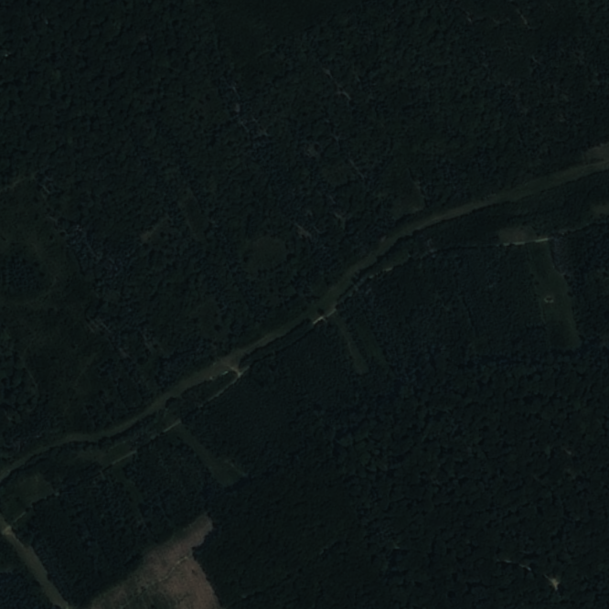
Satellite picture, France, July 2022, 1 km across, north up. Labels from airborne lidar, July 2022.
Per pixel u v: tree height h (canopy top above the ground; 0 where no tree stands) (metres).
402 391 28
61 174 16
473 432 30
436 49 18
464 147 18
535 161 17
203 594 0
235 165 18
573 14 11
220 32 14
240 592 18
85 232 25
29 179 25
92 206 24
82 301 8
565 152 15
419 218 8
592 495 28
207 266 18
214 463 0
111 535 7
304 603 20
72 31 27
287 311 7
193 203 6
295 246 17
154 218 11
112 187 23
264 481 19
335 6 10
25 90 31
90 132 21
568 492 28
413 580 29
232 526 22
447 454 31
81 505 19
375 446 28
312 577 25
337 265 28
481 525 30
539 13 17
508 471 31
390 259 22
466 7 13
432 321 16
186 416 9
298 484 21
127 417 14
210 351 20
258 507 17
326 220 16
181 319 19
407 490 31
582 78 20
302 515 16
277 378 11
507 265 17
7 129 21
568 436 30
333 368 13
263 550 19
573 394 27
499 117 22
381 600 22
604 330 11
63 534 12
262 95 16
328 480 20
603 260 29
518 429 29
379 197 15
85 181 21
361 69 7
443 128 15
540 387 31
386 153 18
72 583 9
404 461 30
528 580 31
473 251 23
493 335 10
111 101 24
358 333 13
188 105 19
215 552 21
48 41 28
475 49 19
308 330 11
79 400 7
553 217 11
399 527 29
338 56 16
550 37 21
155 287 22
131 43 27
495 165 17
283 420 7
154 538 9
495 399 30
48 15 28
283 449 9
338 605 21
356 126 15
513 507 29
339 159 20
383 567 30
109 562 19
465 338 16
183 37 22
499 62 12
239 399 7
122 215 19
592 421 30
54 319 9
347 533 21
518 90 18
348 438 32
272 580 22
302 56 24
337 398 16
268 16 13
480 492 28
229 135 18
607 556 27
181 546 0
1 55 24
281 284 18
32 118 23
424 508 28
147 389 19
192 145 18
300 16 10
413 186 6
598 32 19
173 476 12
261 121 14
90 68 25
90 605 21
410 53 21
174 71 18
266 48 10
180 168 16
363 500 28
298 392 9
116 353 10
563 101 15
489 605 28
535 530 29
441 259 19
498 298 8
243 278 14
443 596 29
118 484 10
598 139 17
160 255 16
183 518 25
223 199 20
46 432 17
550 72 16
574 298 18
